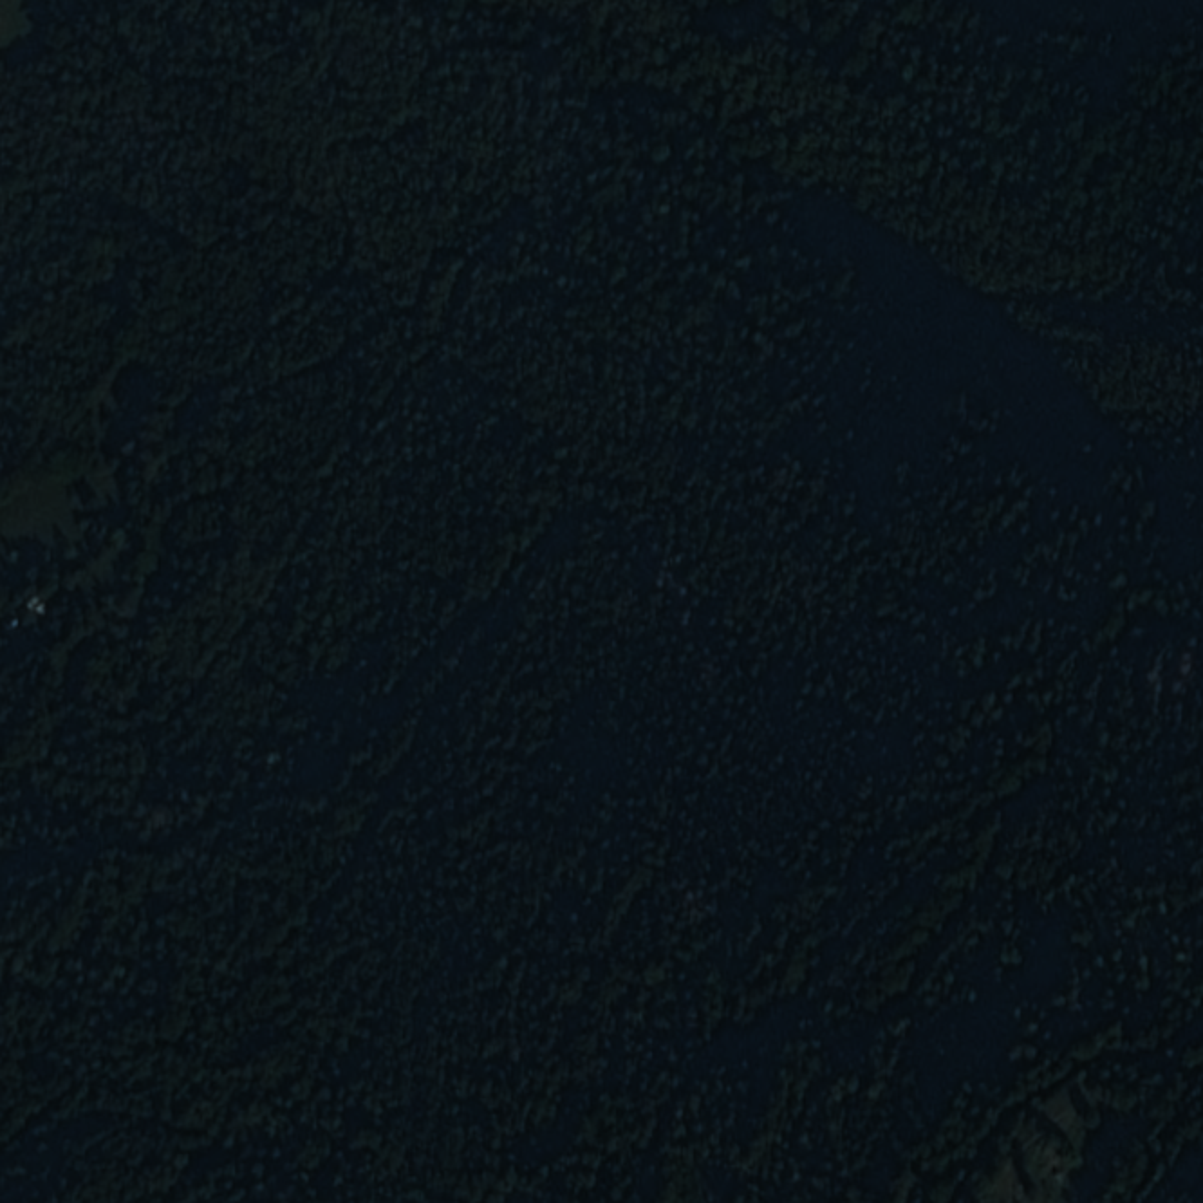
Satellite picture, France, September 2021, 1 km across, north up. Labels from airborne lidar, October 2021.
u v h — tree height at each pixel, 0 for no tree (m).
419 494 21
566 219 19
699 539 28
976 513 33
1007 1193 0
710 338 17
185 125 29
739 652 21
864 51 27
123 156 18
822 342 28
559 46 33
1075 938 26
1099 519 26
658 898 32
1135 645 26
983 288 20
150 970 17
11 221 21
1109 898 12
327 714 20
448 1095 14
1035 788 12
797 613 18
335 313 24
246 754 20
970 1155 17
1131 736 18
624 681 20
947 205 24
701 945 18
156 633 19
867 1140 17
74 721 19
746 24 12
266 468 18
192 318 22
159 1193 31
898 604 26
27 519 0
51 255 19
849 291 15
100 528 11
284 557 25
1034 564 28
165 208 20
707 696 23
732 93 21
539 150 18
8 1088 20
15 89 20
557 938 17
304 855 28
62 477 28
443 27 19
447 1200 16
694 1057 14
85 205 22
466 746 25
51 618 17
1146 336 20
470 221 18
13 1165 16
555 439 25
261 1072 29
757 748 25
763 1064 11
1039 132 25
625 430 19
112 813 23
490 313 20
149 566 26
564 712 19
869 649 23
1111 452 26
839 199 19
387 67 18
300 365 18
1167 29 21
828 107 24
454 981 24
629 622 20
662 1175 24
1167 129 36
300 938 22
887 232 25
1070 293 16
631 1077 24
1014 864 23
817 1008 14
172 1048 22
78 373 24
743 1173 30
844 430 28
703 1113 17
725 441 22
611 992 30
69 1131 12
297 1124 23
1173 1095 24
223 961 24
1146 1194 13
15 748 23
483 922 26
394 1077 18
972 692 13
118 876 13
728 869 24
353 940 25
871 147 24
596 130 30
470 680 17
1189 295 13
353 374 16
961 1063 14
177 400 18
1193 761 10
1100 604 24
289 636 29
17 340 29
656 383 23
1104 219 31
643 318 23
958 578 24
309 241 19
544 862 21
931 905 28
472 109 17
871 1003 25
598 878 26
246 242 14
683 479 18
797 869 31
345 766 25
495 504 24
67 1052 24
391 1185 15
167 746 23
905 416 26
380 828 29
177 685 21
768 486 28
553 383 21
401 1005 21
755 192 37
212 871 24
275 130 18
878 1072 15
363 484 23
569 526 16
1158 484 38
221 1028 27
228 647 15
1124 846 9
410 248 13
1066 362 26
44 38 26
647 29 20
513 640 24
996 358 31
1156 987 6
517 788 25
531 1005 18
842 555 29
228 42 18
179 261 27
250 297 14
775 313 31
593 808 27
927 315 10
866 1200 17
